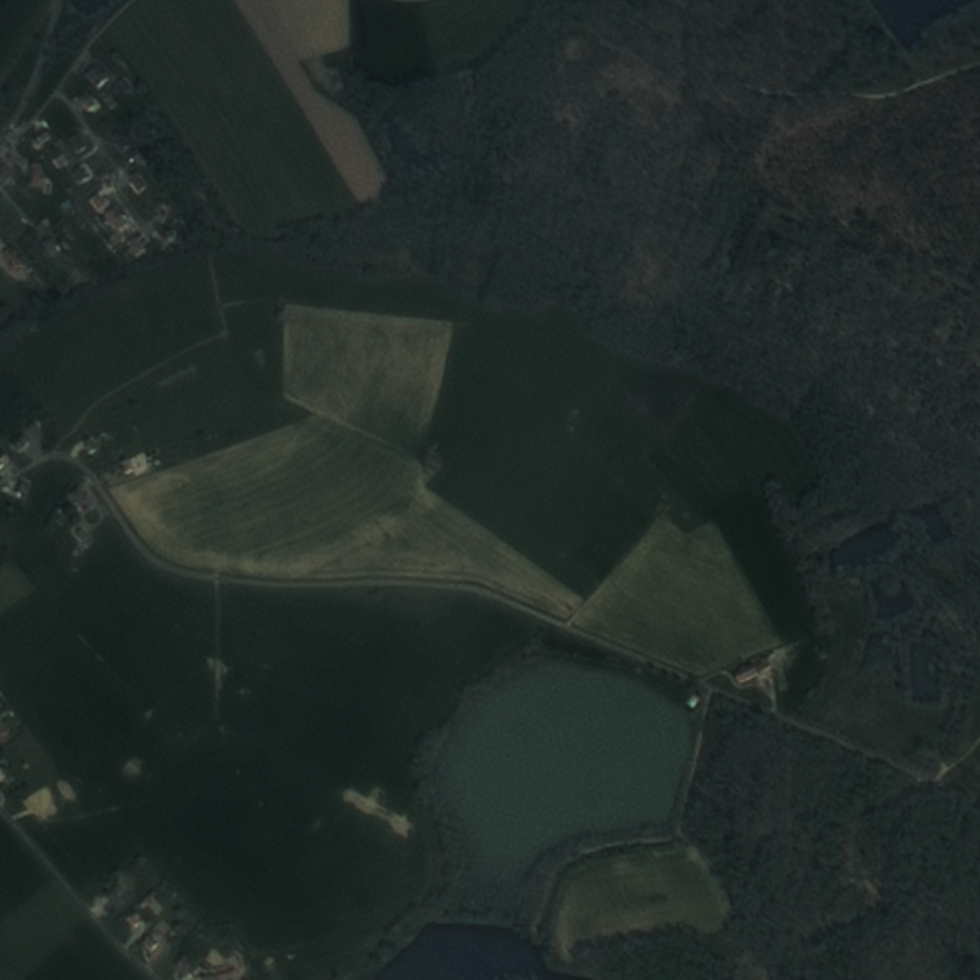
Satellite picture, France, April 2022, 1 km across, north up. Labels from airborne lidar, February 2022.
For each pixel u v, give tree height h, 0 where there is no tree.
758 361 17
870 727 0
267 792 0
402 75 0
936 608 21
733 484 0
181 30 0
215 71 0
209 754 0
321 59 0
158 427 0
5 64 0
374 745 0
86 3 0
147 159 15
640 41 29
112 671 0
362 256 0
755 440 0
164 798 0
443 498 0
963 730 17
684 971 25
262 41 0
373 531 0
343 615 0
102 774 0
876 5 0
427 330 0
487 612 0
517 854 0
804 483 0
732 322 15
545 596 0
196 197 21
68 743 0
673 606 0
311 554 0
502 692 0
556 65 15
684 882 0
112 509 0
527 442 0
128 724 0
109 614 0
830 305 21
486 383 0
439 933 0
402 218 20
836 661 0
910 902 22
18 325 21
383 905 0
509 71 24
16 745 0
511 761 0
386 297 0
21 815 0
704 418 0
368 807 21
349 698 0
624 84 0
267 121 0
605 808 0
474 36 0
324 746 0
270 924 0
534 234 20
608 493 0
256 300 0
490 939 0
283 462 0
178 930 11
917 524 17
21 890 0
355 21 0
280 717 0
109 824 0
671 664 0
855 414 13
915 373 6
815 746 16
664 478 0
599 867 0
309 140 0
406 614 0
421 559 0
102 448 0
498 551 0
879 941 19
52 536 0
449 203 17
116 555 0
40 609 0
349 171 0
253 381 0
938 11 0
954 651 17
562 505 0
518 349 0
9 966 0
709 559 0
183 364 0
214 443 0
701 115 28
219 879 0
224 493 0
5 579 0
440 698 0
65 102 0
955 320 6
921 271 24
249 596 0
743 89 26
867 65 25
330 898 0
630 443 0
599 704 0
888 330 6
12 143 0
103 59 0
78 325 0
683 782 7
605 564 0
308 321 0
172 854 0
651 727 0
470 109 25
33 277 0
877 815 20
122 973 0
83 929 0
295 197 0
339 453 0
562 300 22
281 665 0
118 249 0
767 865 19
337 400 0
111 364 0
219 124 0
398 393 0
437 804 20
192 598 0
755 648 0
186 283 0
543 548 0
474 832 0
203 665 0
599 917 0
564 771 0
